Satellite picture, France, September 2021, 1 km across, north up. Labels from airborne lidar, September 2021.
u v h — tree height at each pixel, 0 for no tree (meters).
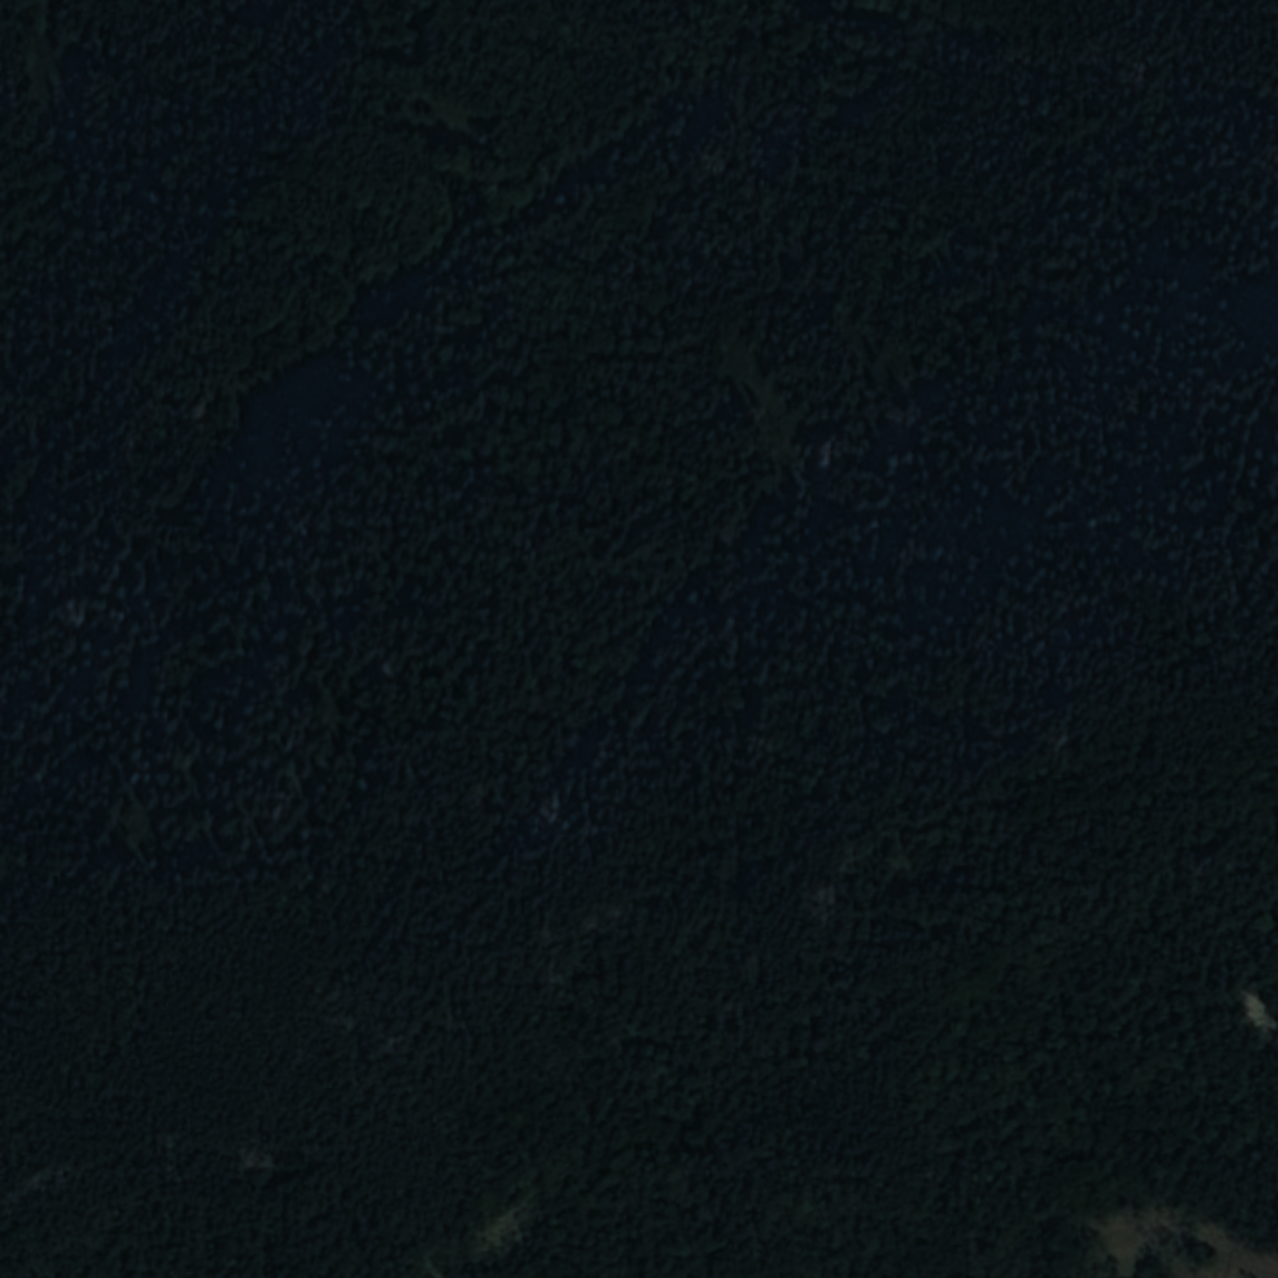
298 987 29
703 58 24
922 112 31
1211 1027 39
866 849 19
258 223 29
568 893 31
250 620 20
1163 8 32
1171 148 24
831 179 27
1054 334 31
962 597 28
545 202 10
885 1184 29
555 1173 16
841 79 23
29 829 25
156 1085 31
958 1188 34
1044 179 31
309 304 27
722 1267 31
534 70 29
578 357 27
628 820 35
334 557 25
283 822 29
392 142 33
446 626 28
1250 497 18
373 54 14
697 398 26
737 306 34
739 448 29
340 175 23
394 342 33
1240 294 14
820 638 27
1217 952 27
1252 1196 28
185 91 26
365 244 30
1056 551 28
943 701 29
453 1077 26
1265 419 24
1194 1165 30
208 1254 20
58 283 29
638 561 33
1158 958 22
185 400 28
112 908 28
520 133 22
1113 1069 28
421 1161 32
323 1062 30
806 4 7
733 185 27
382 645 35
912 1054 28
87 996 25
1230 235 21
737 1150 28
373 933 22
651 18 29
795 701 26
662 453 26
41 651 33
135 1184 29
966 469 24
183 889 27
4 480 31
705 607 12
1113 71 27
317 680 14
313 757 29
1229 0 35
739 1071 22
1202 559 37
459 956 31
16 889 20
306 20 26
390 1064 29
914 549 24
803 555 26
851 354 21
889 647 29
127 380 29
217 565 26
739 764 23
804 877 34
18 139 31
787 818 25
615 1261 25
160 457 28
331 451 21
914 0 31
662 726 29
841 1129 32
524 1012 29
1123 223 27
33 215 29
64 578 24
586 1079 25
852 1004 22
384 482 24
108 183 31
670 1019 27
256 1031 28
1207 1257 16
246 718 28
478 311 30
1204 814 26
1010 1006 26
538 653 28
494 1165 19
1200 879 32
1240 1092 25
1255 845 28
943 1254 25
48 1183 24
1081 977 23
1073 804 29
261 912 23
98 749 25
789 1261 28
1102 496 22
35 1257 24
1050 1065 23
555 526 22
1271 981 35
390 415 25
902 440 14
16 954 29
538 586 25
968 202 23
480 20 30
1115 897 23
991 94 30
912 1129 28
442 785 31
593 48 25
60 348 25
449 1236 24
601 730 26
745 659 22
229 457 19
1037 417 23
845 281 26
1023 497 26
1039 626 36
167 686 23
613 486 31
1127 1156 26
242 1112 30
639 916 32
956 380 26
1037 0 28
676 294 31
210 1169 32
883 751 21
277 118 28
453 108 19
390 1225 34
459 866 28
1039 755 30
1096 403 7
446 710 22
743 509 17
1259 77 34
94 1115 30
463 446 26
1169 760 28
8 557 31
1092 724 35
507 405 26
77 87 19
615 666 29
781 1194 27
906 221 20
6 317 27
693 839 27
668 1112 16
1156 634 27
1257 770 24
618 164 28
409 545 29
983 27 22
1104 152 22
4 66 26
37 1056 31
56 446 27
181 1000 29
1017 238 27
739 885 11
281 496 37
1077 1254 19
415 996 23
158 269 24
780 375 31
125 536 32
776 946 30
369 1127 25
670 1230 20
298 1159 25
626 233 24
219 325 23
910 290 27
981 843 27
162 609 27
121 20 31
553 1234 25
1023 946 23
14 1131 22
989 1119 22
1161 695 29
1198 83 28
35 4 26
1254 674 24
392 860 32
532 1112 31
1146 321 31
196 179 27
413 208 22
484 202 24
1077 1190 26
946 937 13
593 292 29
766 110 23
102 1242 26
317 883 31
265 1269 12
